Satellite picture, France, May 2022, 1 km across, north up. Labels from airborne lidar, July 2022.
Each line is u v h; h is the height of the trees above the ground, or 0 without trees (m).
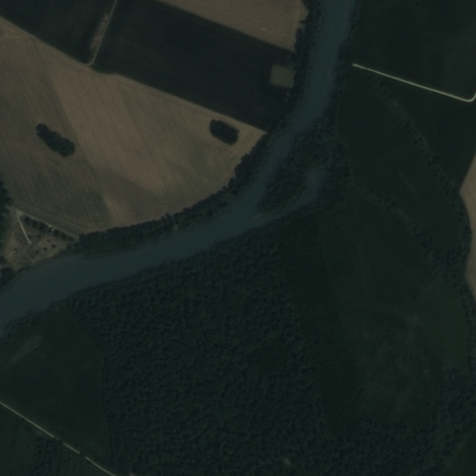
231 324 24
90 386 0
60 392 0
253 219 0
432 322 0
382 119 0
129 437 18
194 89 0
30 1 0
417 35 0
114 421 25
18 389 0
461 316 0
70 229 0
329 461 24
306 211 16
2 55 0
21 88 0
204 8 0
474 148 0
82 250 15
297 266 8
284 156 0
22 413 6
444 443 6
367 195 12
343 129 0
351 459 26
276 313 9
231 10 0
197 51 0
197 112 0
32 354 0
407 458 11
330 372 8
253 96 0
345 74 14
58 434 7
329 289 9
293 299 8
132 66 0
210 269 26
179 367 20
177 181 0
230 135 25
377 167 0
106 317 21
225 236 0
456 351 0
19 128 0
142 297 26
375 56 0
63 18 0
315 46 21
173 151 0
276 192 27
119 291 17
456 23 0
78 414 0
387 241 0
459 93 0
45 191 0
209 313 24
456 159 0
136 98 0
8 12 0
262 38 0
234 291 25
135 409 20
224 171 0
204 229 0
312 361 7
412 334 0
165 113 0
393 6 0
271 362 11
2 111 0
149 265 0
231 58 0
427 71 0
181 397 29
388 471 17
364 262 0
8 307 0
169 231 13
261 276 30
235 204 0
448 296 0
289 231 7
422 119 0
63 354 0
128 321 11
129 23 0
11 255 0
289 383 12
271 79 0
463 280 15
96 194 0
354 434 7
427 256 14
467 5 0
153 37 0
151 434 23
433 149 0
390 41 0
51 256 0
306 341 6
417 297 0
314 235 7
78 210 0
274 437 21
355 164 0
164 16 0
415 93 0
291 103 16
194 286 27
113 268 0
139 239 19
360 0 13
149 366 16
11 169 0
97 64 0
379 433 27
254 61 0
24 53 0
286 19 0
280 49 0
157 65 0
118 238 22
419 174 0
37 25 0
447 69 0
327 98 0
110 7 0
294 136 0
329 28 0
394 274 0
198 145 0
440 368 6
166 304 27
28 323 12
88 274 0
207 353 22
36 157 0
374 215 0
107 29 0
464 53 0
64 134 0
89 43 0
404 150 0
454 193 14
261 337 26
